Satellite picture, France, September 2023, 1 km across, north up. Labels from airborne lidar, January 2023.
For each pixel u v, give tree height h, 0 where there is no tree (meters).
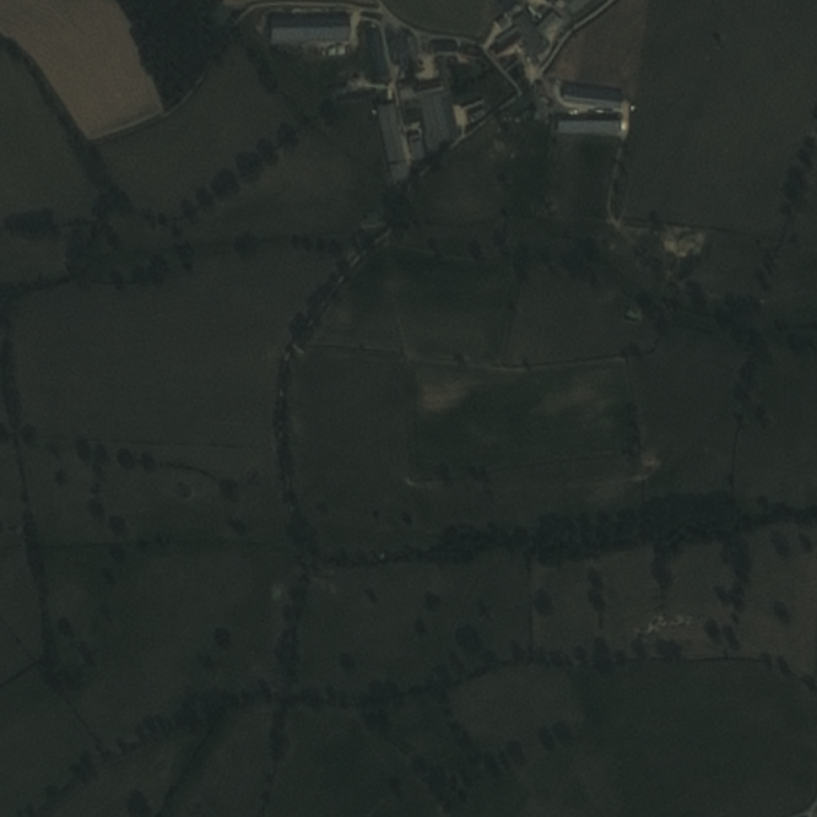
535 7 0
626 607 0
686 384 0
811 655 0
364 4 0
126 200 12
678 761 0
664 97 0
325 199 0
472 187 0
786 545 17
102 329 0
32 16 0
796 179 20
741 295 0
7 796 0
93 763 14
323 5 0
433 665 0
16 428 12
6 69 0
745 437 0
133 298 0
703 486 0
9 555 0
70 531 0
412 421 0
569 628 0
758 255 0
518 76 15
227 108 0
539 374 0
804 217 0
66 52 0
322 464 0
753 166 0
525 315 0
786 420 0
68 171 0
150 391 0
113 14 0
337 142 0
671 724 0
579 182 0
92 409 0
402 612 0
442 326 0
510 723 0
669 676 0
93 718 0
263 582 0
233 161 0
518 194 0
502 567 0
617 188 14
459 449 0
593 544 25
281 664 14
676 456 0
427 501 0
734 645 17
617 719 0
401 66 0
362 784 0
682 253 0
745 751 0
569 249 0
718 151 0
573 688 0
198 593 0
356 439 0
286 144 14
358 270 0
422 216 0
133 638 0
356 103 0
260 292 0
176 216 0
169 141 0
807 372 0
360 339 0
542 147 0
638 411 9
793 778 0
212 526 0
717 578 0
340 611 0
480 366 0
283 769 0
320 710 13
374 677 0
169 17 25
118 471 0
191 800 0
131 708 0
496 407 0
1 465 0
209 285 0
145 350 0
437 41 0
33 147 0
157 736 19
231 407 0
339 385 0
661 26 0
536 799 0
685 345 0
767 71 0
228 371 0
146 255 0
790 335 0
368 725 19
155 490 0
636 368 0
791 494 0
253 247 16
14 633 0
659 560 17
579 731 0
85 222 9
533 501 0
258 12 0
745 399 22
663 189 0
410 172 12
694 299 22
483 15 0
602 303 0
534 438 0
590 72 0
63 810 0
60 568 0
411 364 0
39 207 0
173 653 0
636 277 0
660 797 0
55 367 0
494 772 15
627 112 0
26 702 0
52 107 17
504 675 0
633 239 0
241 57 0
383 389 0
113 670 0
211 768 0
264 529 0
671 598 0
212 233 0
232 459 0
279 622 0
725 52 0
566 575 0
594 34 0
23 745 0
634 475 0
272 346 0
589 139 0
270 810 0
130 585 0
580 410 0
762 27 0
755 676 0
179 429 0
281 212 0
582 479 0
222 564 0
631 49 0
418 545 0
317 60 0
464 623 0
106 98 0
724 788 0
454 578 0
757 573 0
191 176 0
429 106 0
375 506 0
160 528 0
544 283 0
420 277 0
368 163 0
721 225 0
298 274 0
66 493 0
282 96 0
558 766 0
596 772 0
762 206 0
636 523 19
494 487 0
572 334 0
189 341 0
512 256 0
